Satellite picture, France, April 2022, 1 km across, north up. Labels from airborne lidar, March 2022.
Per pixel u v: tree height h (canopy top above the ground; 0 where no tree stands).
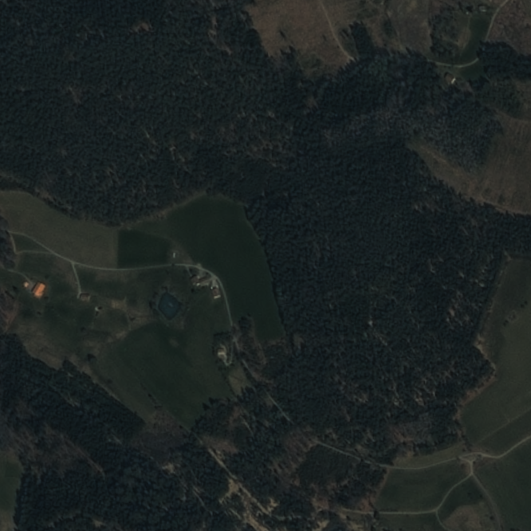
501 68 16
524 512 0
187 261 0
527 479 0
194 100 24
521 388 0
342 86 22
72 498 24
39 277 0
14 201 0
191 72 20
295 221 15
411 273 20
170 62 20
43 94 21
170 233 0
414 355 17
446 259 15
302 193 20
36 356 0
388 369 20
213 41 27
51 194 24
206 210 0
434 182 21
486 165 22
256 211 27
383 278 18
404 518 0
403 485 0
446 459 0
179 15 27
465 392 23
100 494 20
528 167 25
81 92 17
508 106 10
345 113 16
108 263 0
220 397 0
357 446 13
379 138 22
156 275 0
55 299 0
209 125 21
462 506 0
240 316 0
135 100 21
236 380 0
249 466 33
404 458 22
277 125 19
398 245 18
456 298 16
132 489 28
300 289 21
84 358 0
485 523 0
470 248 19
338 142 21
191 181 18
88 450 22
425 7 0
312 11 0
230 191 16
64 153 15
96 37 10
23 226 0
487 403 0
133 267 0
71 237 0
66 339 0
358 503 23
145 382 0
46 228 0
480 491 0
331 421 18
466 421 0
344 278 18
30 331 0
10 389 20
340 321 18
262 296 0
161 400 0
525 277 0
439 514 0
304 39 0
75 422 20
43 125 23
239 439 8
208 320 0
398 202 16
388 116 25
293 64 31
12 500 0
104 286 0
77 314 0
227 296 0
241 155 20
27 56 17
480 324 18
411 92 27
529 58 0
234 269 0
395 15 0
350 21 0
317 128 21
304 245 19
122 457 20
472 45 0
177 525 33
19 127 24
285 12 0
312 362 23
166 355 0
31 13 14
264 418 30
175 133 24
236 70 28
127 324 0
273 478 33
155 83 22
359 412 13
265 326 0
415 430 29
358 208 18
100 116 16
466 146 22
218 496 11
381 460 7
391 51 0
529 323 0
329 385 19
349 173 14
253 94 23
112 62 19
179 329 0
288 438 30
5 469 0
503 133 22
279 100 22
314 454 9
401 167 17
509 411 0
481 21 0
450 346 22
